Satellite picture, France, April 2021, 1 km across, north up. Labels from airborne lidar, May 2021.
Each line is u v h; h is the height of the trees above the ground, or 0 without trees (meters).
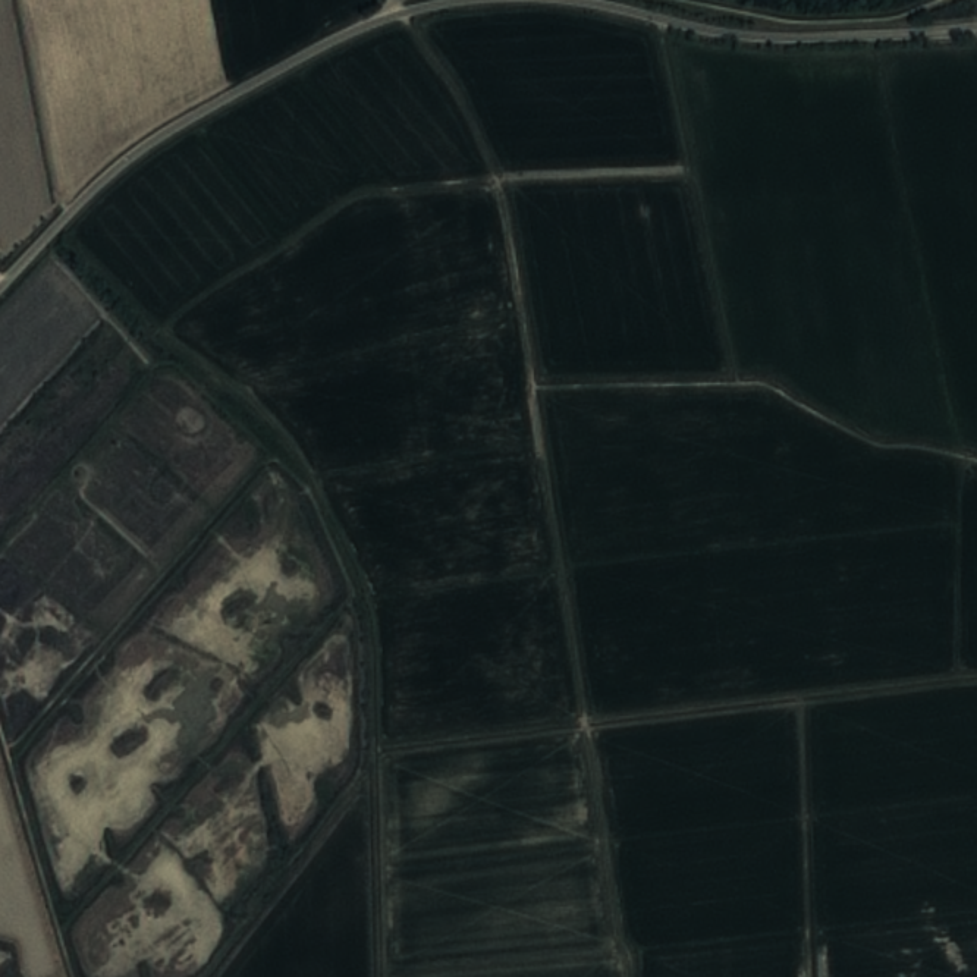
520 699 0
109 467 0
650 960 0
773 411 0
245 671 0
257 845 0
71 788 0
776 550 0
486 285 0
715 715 0
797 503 0
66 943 0
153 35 0
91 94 0
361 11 9
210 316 0
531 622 0
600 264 0
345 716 0
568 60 0
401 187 0
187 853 0
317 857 0
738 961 0
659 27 0
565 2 0
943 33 0
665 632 0
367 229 0
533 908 0
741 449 0
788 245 0
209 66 0
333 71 0
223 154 0
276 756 0
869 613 0
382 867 0
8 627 0
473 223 0
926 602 0
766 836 0
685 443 0
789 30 0
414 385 0
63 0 0
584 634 0
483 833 0
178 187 0
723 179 0
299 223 0
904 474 0
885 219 0
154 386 0
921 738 0
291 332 0
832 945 0
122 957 0
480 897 0
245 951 0
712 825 0
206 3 0
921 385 0
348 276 0
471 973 0
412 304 0
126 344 0
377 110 0
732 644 0
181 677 0
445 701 0
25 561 0
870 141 0
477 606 0
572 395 0
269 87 0
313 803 0
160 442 0
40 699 0
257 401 0
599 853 0
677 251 0
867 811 0
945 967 0
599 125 0
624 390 0
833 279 0
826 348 0
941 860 0
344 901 0
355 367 0
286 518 0
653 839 0
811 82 0
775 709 0
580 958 0
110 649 0
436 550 0
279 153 0
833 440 0
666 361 0
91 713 0
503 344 0
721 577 0
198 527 0
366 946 0
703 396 0
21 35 0
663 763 0
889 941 0
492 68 0
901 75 0
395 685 0
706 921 0
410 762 0
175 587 0
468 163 0
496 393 0
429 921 0
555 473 0
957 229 0
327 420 0
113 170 0
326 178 0
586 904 0
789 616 0
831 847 0
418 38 0
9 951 0
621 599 0
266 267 0
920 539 0
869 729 0
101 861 0
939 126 0
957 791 0
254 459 0
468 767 0
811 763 0
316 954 0
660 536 0
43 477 0
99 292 9
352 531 0
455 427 0
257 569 0
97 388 0
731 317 0
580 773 0
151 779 0
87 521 0
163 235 0
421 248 0
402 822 0
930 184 0
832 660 0
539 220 0
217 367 0
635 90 0
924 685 0
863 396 0
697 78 0
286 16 0
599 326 0
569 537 0
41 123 0
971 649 0
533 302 0
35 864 0
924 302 0
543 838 0
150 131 0
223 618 0
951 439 0
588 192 0
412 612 0
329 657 0
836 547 0
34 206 0
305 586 0
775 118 0
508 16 0
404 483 0
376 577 0
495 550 0
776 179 0
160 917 0
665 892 0
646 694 0
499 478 0
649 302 0
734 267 0
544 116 0
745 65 0
